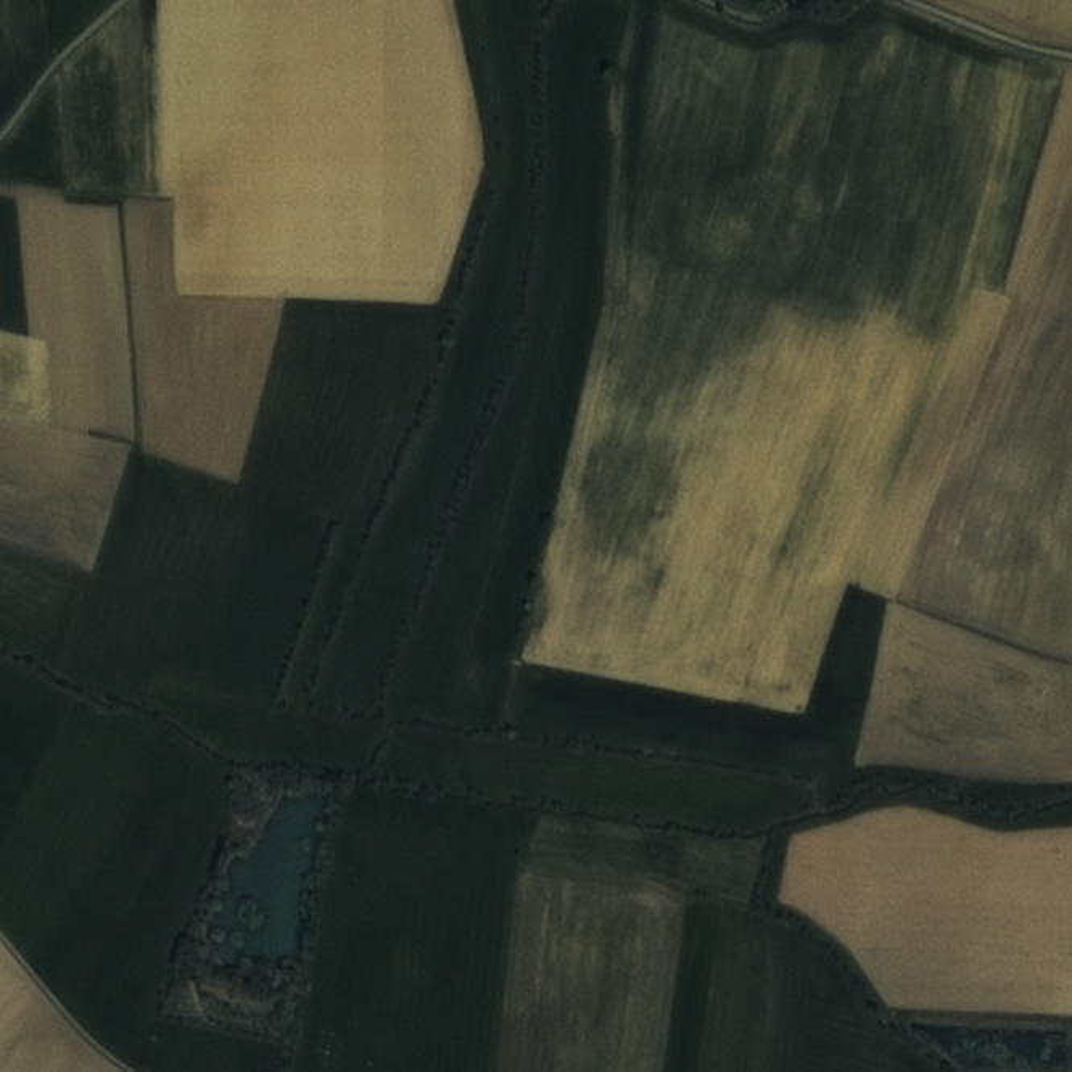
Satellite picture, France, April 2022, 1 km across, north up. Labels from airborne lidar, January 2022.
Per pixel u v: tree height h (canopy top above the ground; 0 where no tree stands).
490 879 0
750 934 0
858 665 0
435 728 10
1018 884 0
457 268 0
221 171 0
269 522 0
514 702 0
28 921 0
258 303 0
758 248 0
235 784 10
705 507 0
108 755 0
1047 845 0
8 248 0
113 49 0
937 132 0
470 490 17
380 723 10
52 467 0
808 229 0
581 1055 0
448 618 0
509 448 0
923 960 0
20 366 0
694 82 0
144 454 0
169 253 0
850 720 0
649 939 0
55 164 0
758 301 0
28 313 0
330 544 11
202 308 0
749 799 0
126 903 0
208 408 0
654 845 0
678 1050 0
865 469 0
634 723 0
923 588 0
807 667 0
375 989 0
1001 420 0
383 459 0
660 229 0
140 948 0
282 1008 7
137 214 0
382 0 0
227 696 0
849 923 0
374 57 0
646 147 0
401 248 0
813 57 0
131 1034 0
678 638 0
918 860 0
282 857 0
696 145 0
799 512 0
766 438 0
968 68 0
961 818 0
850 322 0
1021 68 0
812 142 0
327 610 0
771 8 21
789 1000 0
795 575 0
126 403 0
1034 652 0
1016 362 0
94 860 0
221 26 0
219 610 0
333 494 0
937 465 0
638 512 0
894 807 0
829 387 0
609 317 0
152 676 0
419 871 0
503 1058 0
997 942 0
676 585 0
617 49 0
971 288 0
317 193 0
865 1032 0
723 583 0
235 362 0
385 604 0
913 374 0
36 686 0
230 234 0
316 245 0
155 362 0
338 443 0
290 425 0
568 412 0
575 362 0
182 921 0
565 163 0
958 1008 0
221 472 0
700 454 0
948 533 0
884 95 0
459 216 0
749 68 0
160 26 0
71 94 0
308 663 0
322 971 0
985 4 0
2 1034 0
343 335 0
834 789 0
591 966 0
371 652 0
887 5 0
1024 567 0
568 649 0
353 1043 0
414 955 0
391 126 0
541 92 14
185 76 0
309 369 0
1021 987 0
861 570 0
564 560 0
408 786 12
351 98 0
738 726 0
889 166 0
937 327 0
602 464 0
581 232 0
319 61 0
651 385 0
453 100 0
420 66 0
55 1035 0
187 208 0
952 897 0
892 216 0
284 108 0
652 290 0
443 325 0
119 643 0
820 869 0
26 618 0
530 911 0
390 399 0
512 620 0
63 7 0
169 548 0
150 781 0
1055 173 0
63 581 0
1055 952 0
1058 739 0
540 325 0
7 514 0
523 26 0
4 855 0
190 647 0
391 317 0
